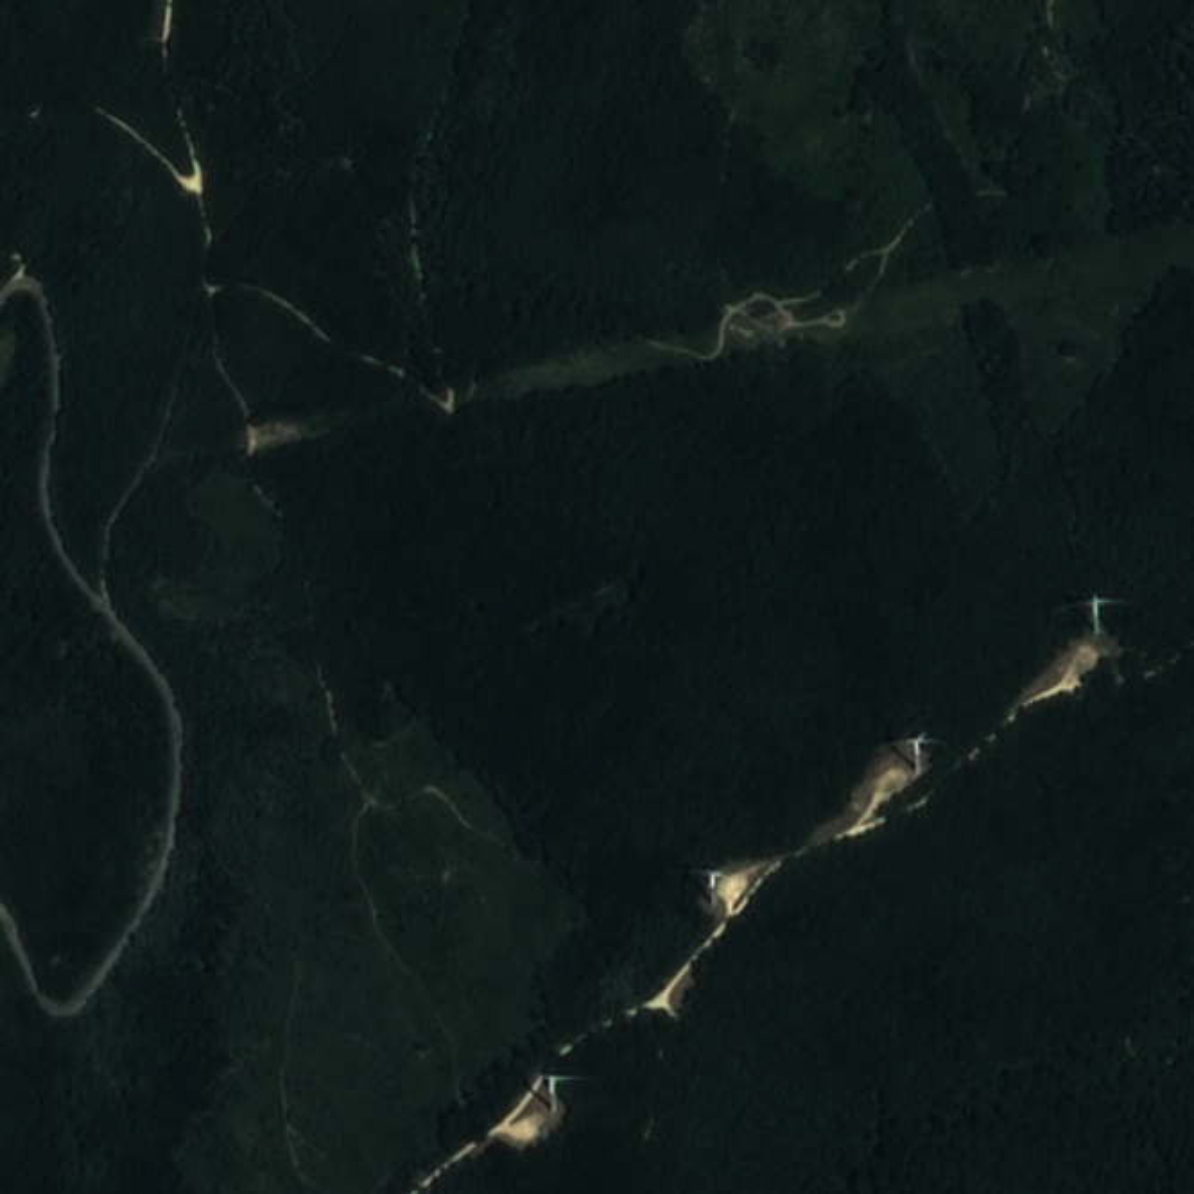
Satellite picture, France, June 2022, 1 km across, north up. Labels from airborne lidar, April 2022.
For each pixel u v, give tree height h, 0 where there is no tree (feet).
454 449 52
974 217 54
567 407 35
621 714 70
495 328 57
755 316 22
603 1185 77
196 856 21
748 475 52
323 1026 0
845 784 41
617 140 33
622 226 26
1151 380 52
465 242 39
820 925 46
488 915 0
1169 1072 47
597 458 45
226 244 34
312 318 30
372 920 0
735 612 55
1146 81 50
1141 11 51
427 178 40
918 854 34
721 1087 44
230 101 46
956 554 42
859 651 61
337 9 29
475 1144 44
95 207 31
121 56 22
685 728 49
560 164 22
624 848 54
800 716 43
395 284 35
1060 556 43
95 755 43
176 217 24
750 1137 40
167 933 22
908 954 50
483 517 34
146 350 23
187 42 29
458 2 39
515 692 60
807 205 41
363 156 56
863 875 50
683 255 29
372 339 44
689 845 56
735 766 43
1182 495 31
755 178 47
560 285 35
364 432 31
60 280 31
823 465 52
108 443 30
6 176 55
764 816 44
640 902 58
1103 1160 30
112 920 41
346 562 37
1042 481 42
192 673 28
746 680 48
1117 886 47
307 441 39
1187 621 40
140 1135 29
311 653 27
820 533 56
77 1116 43
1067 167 19
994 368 52
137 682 49
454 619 42
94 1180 39
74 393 27
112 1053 20
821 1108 45
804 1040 36
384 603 54
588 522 36
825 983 41
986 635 43
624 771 52
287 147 52
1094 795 54
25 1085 33
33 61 37
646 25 29
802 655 45
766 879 24
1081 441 32
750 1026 34
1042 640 34
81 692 26
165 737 47
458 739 50
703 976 40
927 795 37
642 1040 50
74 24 19
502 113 29
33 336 46
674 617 60
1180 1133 31
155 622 28
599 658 61
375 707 52
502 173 34
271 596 26
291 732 42
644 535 52
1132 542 42
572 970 53
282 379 25
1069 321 0
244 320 30
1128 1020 55
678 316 32
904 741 40
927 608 47
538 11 30
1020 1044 35
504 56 22
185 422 19
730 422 67
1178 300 45
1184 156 49
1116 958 34
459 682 49
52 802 29
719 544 54
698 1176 30
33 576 29
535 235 22
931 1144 67
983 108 42
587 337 59
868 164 54
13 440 33
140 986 33
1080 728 49
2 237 45
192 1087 55
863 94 72
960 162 57
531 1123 0
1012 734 35
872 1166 67
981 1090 25
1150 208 53
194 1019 46
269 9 36
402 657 70
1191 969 35
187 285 27
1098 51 49
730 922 38
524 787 64
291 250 31
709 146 45
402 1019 0
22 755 25
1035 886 32
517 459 31
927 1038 42
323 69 35
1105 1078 27
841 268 38
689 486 43
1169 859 58
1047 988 62
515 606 53
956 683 44
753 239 66
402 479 68
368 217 48
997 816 44
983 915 36
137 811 26
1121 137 53
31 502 28
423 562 71
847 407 41
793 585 41
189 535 20
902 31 38
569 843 52
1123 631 49
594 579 56
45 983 55
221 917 65
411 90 40
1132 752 58
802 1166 42
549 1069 46
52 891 37
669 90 31
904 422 55
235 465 22
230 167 26
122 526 28
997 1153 38
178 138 22
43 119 43
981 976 50
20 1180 35
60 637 47
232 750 38
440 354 32
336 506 29
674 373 66
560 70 25
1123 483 48
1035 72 26
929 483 50
